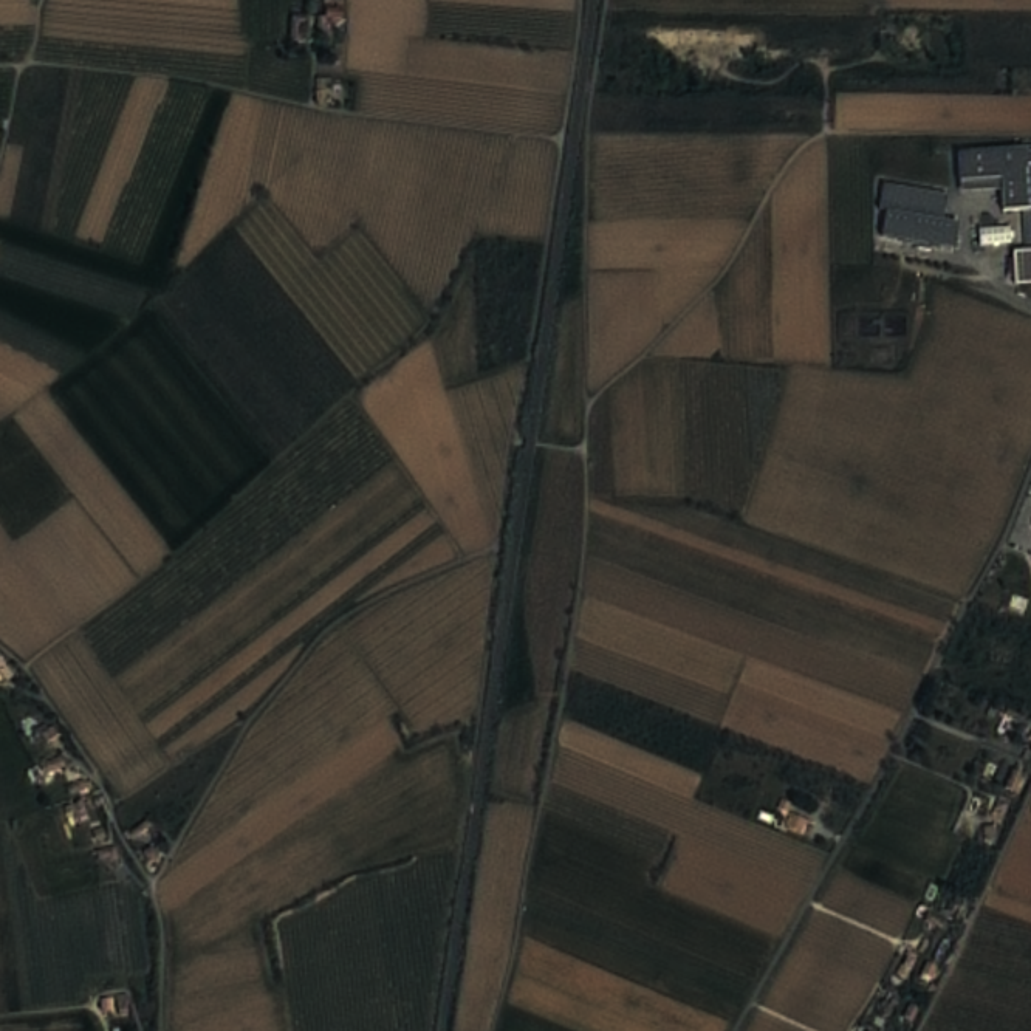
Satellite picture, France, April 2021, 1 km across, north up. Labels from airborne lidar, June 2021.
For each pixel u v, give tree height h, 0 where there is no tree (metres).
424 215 0
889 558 0
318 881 0
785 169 0
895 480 0
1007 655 0
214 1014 0
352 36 0
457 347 0
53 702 0
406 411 0
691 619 0
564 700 0
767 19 0
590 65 0
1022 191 0
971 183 0
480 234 0
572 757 0
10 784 0
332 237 0
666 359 0
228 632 0
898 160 0
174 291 0
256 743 0
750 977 0
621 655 0
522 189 0
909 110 0
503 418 0
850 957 0
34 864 0
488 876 0
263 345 0
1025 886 0
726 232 0
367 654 0
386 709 0
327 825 0
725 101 0
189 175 0
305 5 10
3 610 0
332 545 0
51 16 0
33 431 0
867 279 0
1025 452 0
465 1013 0
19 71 0
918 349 0
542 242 0
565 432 0
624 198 0
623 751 0
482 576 0
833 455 0
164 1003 0
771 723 0
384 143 0
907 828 0
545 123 0
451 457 0
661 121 0
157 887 0
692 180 0
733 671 0
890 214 0
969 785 9
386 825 0
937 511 0
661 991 0
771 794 0
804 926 0
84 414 0
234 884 0
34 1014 0
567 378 0
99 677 0
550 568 0
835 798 10
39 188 0
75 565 0
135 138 0
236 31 0
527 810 0
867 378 0
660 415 0
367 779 0
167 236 0
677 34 0
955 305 0
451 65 0
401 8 0
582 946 0
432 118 0
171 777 0
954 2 0
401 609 0
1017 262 0
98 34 0
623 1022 0
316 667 0
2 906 0
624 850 0
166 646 0
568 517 0
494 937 0
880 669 0
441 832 0
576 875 0
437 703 0
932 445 0
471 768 0
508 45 13
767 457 0
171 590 0
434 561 0
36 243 0
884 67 0
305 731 0
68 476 0
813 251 0
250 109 0
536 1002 0
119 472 0
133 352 0
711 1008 0
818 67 0
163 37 0
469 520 0
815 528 0
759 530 0
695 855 0
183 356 0
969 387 0
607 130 0
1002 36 0
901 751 10
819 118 0
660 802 0
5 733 0
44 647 0
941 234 0
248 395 0
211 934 0
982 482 0
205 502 0
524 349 0
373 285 0
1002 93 6
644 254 0
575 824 0
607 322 0
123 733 0
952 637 10
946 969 6
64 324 0
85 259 0
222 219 0
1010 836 0
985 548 0
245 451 0
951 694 6
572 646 0
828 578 0
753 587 0
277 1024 0
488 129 0
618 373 0
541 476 0
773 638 0
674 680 0
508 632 0
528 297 0
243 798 0
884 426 0
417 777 0
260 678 0
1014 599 0
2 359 0
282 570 0
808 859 0
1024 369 0
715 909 0
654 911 0
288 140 0
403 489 0
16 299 0
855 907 0
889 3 0
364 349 0
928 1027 0
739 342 0
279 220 0
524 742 0
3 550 0
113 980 0
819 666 0
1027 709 9
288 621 0
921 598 0
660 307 0
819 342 0
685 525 0
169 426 0
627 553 0
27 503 0
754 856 0
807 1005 0
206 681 0
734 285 0
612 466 0
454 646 0
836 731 0
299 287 0
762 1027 0
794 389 0
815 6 0
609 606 0
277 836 0
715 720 0
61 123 0
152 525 0
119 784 0
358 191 0
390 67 0
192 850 0
